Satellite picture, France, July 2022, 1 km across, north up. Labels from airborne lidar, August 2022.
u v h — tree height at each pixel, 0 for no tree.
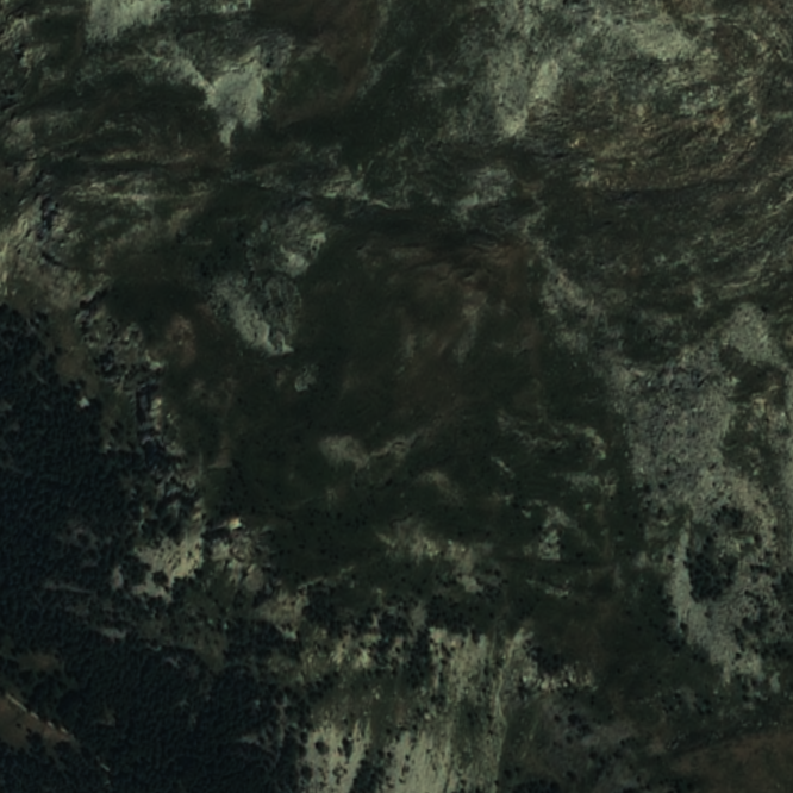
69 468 18
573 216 0
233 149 0
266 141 0
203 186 0
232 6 0
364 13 0
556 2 0
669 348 0
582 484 0
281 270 0
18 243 0
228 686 21
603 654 0
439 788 0
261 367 0
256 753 20
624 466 0
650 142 0
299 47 0
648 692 0
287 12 0
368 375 0
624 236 0
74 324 7
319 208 0
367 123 0
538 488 0
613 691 0
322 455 0
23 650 21
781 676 0
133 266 0
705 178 0
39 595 24
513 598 0
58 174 0
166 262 0
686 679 0
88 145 0
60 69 0
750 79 0
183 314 0
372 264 0
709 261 0
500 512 0
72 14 0
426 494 0
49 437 16
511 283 0
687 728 0
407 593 0
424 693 0
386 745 0
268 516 0
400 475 0
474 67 0
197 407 0
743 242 0
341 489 0
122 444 13
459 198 0
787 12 0
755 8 0
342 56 0
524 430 0
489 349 0
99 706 23
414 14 0
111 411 0
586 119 0
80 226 0
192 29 0
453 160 0
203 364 0
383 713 0
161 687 9
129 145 0
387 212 0
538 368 0
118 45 0
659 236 0
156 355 0
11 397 15
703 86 0
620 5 0
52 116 0
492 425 0
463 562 0
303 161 0
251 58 0
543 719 0
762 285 0
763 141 0
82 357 0
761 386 0
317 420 0
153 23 0
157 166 0
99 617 18
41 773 16
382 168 0
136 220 0
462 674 0
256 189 0
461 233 0
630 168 0
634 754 0
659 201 0
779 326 0
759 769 0
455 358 0
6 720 0
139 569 15
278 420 0
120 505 17
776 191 0
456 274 0
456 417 0
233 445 0
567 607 0
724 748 0
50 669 0
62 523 19
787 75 0
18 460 18
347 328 0
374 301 0
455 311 0
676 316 0
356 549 0
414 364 0
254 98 0
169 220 0
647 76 0
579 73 0
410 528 0
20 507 28
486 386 0
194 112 0
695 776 0
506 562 0
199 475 0
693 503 0
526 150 0
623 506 0
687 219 0
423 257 0
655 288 0
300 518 0
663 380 0
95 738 24
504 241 0
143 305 0
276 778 14
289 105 0
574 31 0
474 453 0
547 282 0
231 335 0
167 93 0
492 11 0
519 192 0
